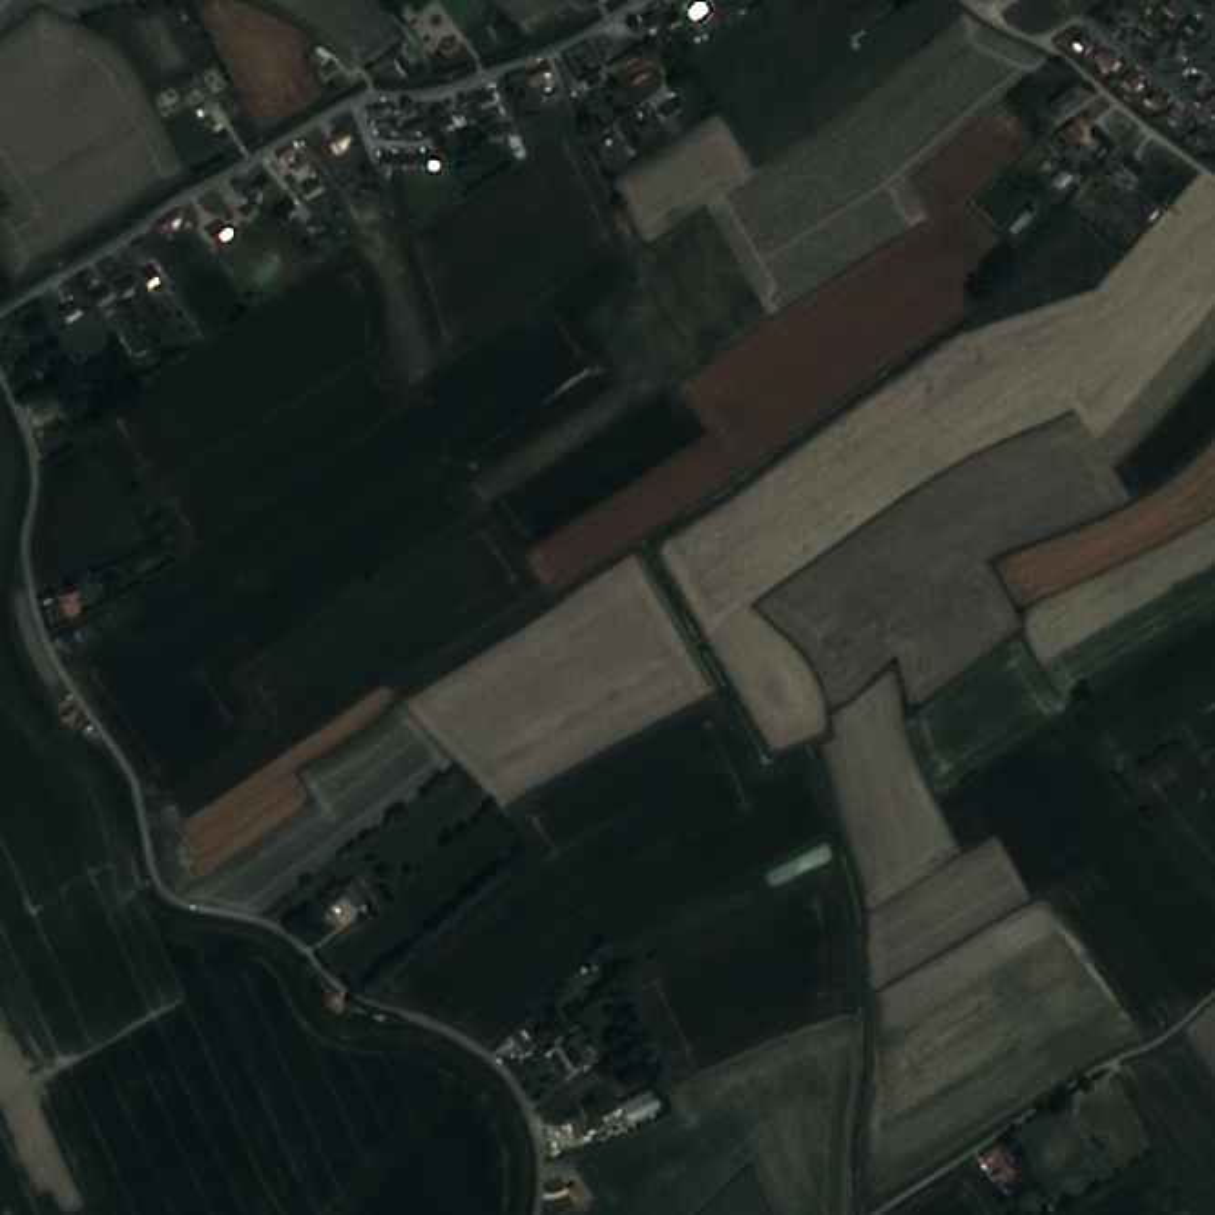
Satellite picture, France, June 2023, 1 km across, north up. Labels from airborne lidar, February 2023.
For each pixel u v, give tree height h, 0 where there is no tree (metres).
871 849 0
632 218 0
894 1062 0
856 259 0
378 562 0
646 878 0
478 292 0
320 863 0
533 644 0
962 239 0
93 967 0
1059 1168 0
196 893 0
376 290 0
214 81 0
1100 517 0
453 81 0
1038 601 0
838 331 0
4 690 0
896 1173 0
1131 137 0
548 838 0
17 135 0
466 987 0
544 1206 0
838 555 0
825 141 0
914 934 0
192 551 0
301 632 0
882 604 0
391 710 0
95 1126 0
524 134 0
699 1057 0
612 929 0
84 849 0
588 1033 8
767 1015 0
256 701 0
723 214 0
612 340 0
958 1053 0
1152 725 0
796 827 0
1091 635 0
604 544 0
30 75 0
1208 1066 0
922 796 0
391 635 0
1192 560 0
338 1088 0
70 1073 0
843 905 0
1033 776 0
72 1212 0
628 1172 0
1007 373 0
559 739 0
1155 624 0
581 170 0
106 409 22
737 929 0
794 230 0
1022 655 0
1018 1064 0
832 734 0
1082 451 0
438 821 0
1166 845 0
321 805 0
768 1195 0
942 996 0
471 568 0
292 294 0
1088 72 0
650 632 0
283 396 0
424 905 0
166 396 0
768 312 0
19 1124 0
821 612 0
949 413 0
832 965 0
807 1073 0
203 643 0
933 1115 0
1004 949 0
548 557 0
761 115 0
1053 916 0
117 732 0
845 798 0
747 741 0
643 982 0
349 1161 0
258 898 0
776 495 0
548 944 0
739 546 0
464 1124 0
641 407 0
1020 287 0
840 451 0
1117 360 0
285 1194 0
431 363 0
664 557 0
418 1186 0
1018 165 0
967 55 0
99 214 0
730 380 0
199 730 0
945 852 0
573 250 0
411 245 0
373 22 0
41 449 0
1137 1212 0
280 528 0
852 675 0
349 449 0
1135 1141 0
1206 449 0
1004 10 0
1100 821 0
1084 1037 0
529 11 0
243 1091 0
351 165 0
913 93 0
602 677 0
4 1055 0
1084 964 0
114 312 0
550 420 0
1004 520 0
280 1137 0
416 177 0
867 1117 0
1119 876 0
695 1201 0
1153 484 0
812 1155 0
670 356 0
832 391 0
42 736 0
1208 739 0
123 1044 0
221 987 0
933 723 0
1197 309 0
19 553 0
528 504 0
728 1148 0
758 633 0
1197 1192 0
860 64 0
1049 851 0
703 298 0
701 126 0
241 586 0
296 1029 0
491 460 0
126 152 0
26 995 0
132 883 0
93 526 0
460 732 0
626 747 0
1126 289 0
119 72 0
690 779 0
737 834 0
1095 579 0
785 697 0
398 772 0
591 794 0
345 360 0
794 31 0
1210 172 0
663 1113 7
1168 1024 0
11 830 0
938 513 0
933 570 0
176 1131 0
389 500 0
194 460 0
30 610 0
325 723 0
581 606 0
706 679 0
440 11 0
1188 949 0
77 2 0
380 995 0
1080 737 0
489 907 0
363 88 0
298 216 0
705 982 0
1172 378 0
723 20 0
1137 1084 0
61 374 14
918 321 0
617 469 0
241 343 0
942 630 0
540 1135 0
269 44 0
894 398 0
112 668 0
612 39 0
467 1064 0
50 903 0
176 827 0
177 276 0
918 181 0
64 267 0
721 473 0
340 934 0
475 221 0
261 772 0
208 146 0
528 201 0
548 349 0
